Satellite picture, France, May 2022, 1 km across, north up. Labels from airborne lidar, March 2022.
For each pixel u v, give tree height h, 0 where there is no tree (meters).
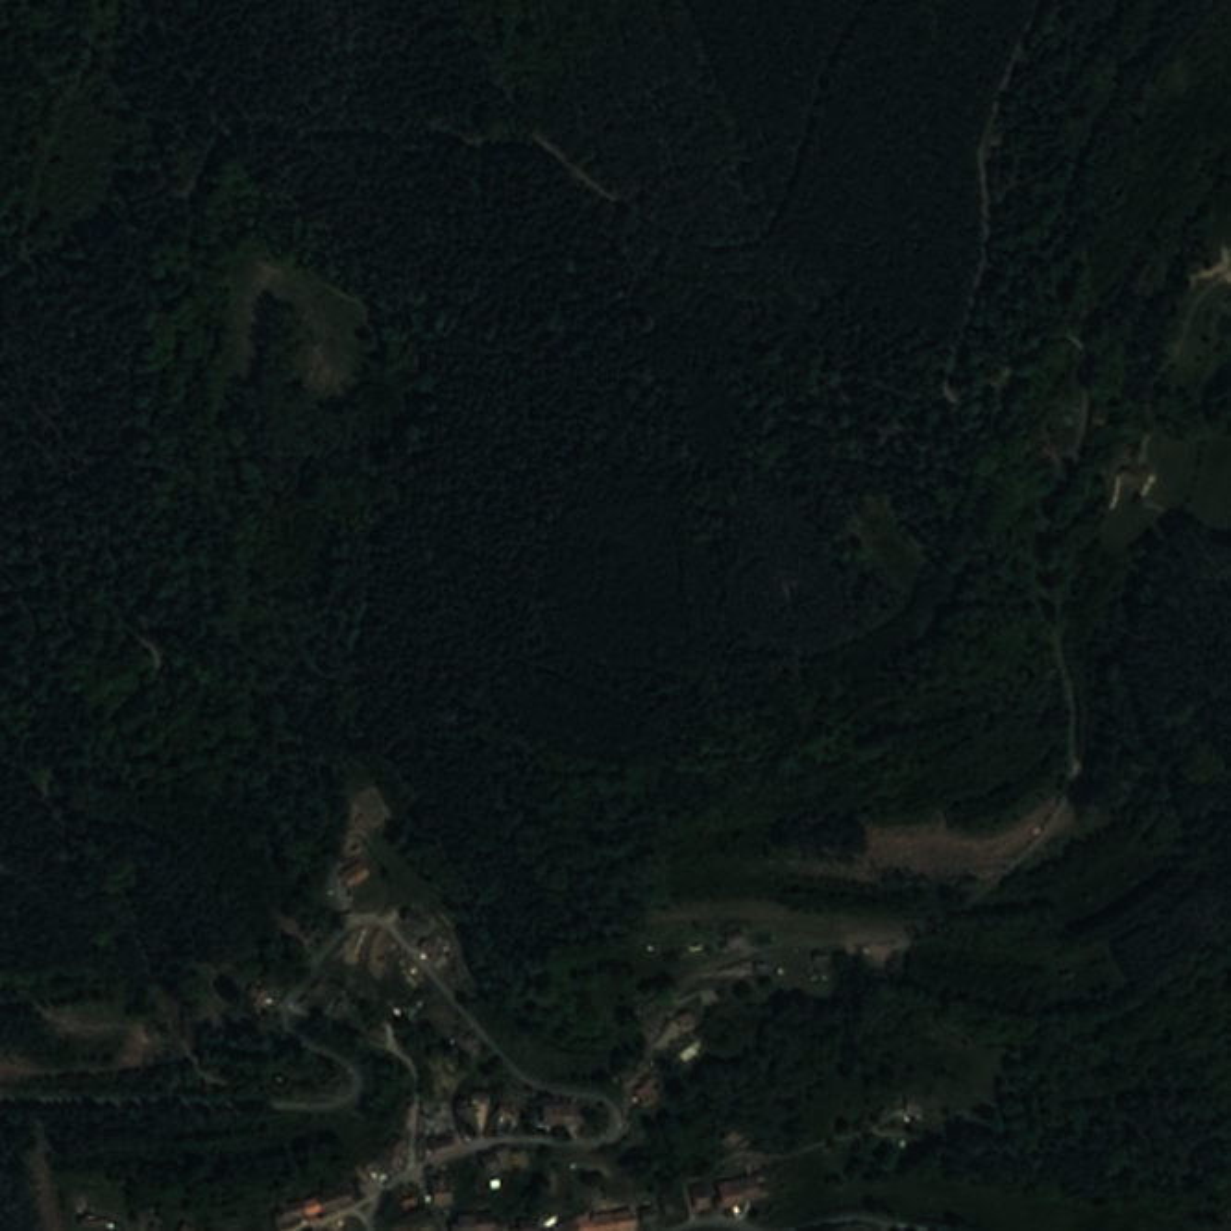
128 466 31
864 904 12
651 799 20
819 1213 0
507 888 10
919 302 17
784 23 18
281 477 23
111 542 14
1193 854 22
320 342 0
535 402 24
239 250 29
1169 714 28
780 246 18
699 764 19
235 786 23
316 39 22
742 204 13
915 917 0
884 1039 17
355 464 25
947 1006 26
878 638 9
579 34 15
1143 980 26
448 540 24
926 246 16
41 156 12
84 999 22
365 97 30
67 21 22
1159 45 31
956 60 18
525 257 31
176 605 20
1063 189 6
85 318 30
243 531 30
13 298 31
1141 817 22
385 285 17
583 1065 0
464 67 31
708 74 15
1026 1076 15
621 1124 0
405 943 0
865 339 23
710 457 16
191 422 15
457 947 0
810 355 21
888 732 27
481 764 25
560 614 15
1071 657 7
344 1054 13
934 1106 0
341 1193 0
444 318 25
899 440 8
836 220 16
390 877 9
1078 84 16
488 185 29
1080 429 0
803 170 15
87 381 30
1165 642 34
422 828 22
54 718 29
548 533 17
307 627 27
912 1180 18
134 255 30
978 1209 0
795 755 19
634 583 14
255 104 27
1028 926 16
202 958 37
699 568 22
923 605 9
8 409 29
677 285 14
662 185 14
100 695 20
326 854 16
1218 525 0
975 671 29
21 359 29
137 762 22
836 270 17
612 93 15
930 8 14
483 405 25
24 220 12
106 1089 7
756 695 14
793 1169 0
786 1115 19
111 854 37
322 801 18
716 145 16
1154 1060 20
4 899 19
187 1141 16
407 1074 19
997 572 29
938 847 0
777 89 18
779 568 29
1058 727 12
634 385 18
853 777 19
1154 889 18
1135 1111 28
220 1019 0
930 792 15
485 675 21
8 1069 0
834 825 30
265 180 25
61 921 18
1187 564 30
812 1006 19
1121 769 30
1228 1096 20
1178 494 0
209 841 16
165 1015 30
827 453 32
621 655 17
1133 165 7
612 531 16
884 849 0
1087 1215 0
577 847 13
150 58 29
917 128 17
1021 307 13
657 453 14
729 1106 20
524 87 17
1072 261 6
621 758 20
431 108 31
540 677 17
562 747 19
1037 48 15
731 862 0
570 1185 0
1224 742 32
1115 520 0
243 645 30
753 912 0
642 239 16
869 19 18
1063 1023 16
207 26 21
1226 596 25
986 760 16
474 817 14
